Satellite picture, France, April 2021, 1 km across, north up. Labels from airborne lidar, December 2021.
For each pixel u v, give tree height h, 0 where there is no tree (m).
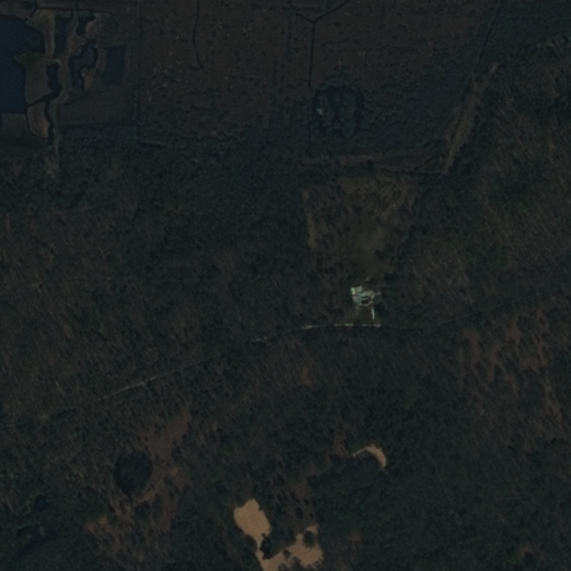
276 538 19
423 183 12
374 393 22
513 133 19
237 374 23
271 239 23
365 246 0
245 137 6
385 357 22
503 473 24
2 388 22
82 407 12
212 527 22
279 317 15
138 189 12
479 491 21
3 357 21
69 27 0
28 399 21
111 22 0
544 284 23
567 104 16
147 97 0
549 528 25
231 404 23
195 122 0
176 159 8
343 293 16
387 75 0
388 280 17
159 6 0
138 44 0
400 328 18
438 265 24
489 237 23
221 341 19
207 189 6
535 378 14
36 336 23
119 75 0
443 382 24
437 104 7
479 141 18
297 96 0
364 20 0
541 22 10
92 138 7
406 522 22
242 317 12
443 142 8
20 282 20
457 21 0
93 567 17
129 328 16
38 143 0
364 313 0
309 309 18
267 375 24
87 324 20
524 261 28
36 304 20
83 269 26
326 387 23
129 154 13
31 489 18
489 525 26
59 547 21
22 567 22
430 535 26
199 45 0
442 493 21
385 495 23
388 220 0
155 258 18
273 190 16
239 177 12
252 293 24
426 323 23
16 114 0
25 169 15
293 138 8
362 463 22
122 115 0
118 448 15
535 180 20
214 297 13
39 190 24
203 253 13
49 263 13
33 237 22
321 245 16
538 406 20
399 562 16
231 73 0
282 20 0
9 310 23
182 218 11
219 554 25
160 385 15
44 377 22
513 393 19
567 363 24
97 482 13
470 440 27
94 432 18
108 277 17
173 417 18
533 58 16
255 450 19
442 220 21
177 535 23
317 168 7
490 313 20
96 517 17
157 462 12
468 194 23
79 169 19
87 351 18
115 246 17
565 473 16
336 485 23
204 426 21
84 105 0
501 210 22
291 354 25
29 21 0
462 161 19
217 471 23
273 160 10
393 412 25
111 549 24
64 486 19
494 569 25
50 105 0
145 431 11
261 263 19
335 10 0
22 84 0
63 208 17
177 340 17
